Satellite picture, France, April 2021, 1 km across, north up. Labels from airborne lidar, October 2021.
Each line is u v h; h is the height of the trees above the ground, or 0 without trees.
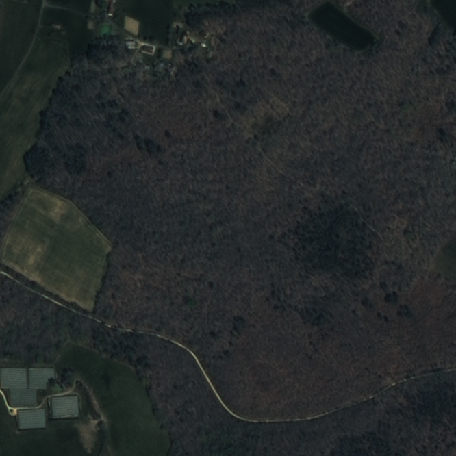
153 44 16
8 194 0
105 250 0
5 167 0
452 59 16
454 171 22
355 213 15
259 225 12
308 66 9
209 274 19
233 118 15
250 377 5
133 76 12
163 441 0
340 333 8
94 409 0
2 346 21
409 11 17
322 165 12
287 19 19
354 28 0
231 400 12
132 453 0
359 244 17
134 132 15
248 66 10
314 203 9
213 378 12
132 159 7
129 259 16
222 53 18
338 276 15
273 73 16
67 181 15
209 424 14
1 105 0
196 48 16
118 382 0
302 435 16
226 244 11
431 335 7
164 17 0
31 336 18
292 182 9
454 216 20
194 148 15
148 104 18
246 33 18
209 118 14
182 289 14
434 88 13
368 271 14
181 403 12
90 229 0
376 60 14
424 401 14
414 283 17
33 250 0
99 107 18
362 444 11
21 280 20
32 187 0
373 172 12
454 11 0
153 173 13
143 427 0
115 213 16
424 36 17
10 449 0
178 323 19
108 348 18
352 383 9
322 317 10
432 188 18
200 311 11
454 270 0
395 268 18
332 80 18
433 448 7
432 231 18
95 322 12
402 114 7
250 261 13
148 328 10
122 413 0
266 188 16
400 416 12
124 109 14
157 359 12
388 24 18
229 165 14
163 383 12
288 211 8
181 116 7
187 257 8
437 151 14
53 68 0
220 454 17
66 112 21
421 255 19
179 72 8
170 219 17
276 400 6
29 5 0
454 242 0
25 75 0
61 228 0
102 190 13
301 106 12
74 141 17
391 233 15
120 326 20
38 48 0
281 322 6
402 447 11
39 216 0
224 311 11
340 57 16
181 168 11
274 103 17
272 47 22
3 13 0
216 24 18
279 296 12
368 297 17
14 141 0
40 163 26
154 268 13
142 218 17
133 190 13
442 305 6
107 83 17
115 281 15
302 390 6
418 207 19
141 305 14
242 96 11
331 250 17
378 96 20
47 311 17
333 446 17
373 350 7
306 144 17
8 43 0
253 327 9
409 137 21
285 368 6
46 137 20
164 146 7
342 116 20
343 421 11
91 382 0
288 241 11
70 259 0
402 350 8
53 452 0
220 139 8
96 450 0
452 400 10
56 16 0
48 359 20
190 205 20
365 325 12
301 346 9
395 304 22
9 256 0
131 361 19
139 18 0
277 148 22
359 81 18
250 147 17
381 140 11
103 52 21
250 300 14
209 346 11
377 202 12
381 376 10
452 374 18
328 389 7
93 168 16
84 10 0
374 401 14
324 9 0
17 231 0
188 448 13
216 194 13
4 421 0
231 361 7
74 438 0
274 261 15
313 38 18
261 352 7
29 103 0
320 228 15
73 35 0
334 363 9
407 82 17
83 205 13
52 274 0
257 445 19
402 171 17
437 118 8
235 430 15
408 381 14
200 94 18
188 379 18
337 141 18
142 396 0
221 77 14
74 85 16
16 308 15
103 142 14
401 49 16
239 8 17
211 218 23
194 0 0
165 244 9
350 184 13
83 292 0
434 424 13
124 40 11
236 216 17
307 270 16
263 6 21
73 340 18
